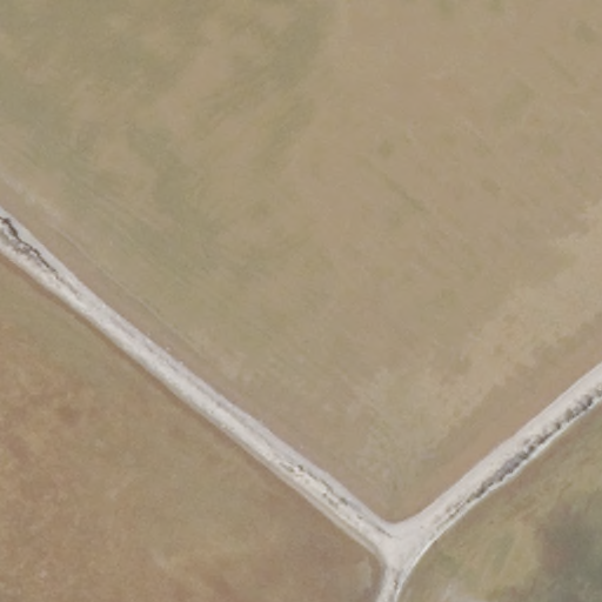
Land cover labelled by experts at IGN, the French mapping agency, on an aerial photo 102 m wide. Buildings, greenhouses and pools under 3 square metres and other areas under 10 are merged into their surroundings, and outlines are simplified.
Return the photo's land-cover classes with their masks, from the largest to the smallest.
<instances>
[{"label":"water","instance_id":"1","mask_svg":"<svg viewBox=\"0 0 602 602\"><path fill-rule=\"evenodd\" d=\"M0 205L7 212L16 214V219L59 261H63V266L108 308H113L143 336H148L153 343L167 350L198 379L209 383L228 402L261 421L294 452L313 461L317 468L327 470L372 513L393 524L404 522L426 510L440 494L454 487L473 466H477L501 442L513 437L524 423H529L564 390H569L581 376H586L593 367L602 362V0H0ZM386 562L381 560L379 550L369 539H364L353 527L341 529L339 524H334L322 510H317L294 484L285 482L247 444H242L235 435L221 428L214 419L200 412L195 404H190L186 397H181L165 379L153 374L141 360L127 353L96 322H92L66 299L47 289L38 277H33L28 270H24L19 263H14L0 252V602H383L379 595ZM397 602H602V404H597V409L588 414L583 421L571 426L548 452H543L531 466H527L513 482L496 489L487 501L477 503L461 522L444 531L412 569Z\"/></svg>","mask_w":602,"mask_h":602},{"label":"pervious surface","instance_id":"2","mask_svg":"<svg viewBox=\"0 0 602 602\"><path fill-rule=\"evenodd\" d=\"M0 252L14 263H19L24 270H28L33 277H38L47 289L66 299L92 322H96L127 353L141 360L153 374L165 379L181 397H186L190 404H195L200 412L214 419L221 428L235 435L242 444H247L285 482L294 484L317 510H322L334 524H339L341 529L353 527L364 539H369L379 550L381 560L386 562L379 595L383 602H397L412 569L444 531L461 522L477 503L487 501L496 489L513 482L527 466H531L543 452H548L571 426L583 421L588 414L597 409V404H602V362L593 367L586 376H581L569 390H564L529 423H524L513 437L501 442L477 466H473L454 487L440 494L426 510L404 522L393 524L372 513L327 470L317 468L313 461L294 452L261 421L228 402L209 383L198 379L167 350L153 343L148 336H143L113 308H108L63 266V261H59L16 219V214L7 212L0 205Z\"/></svg>","mask_w":602,"mask_h":602}]
</instances>
